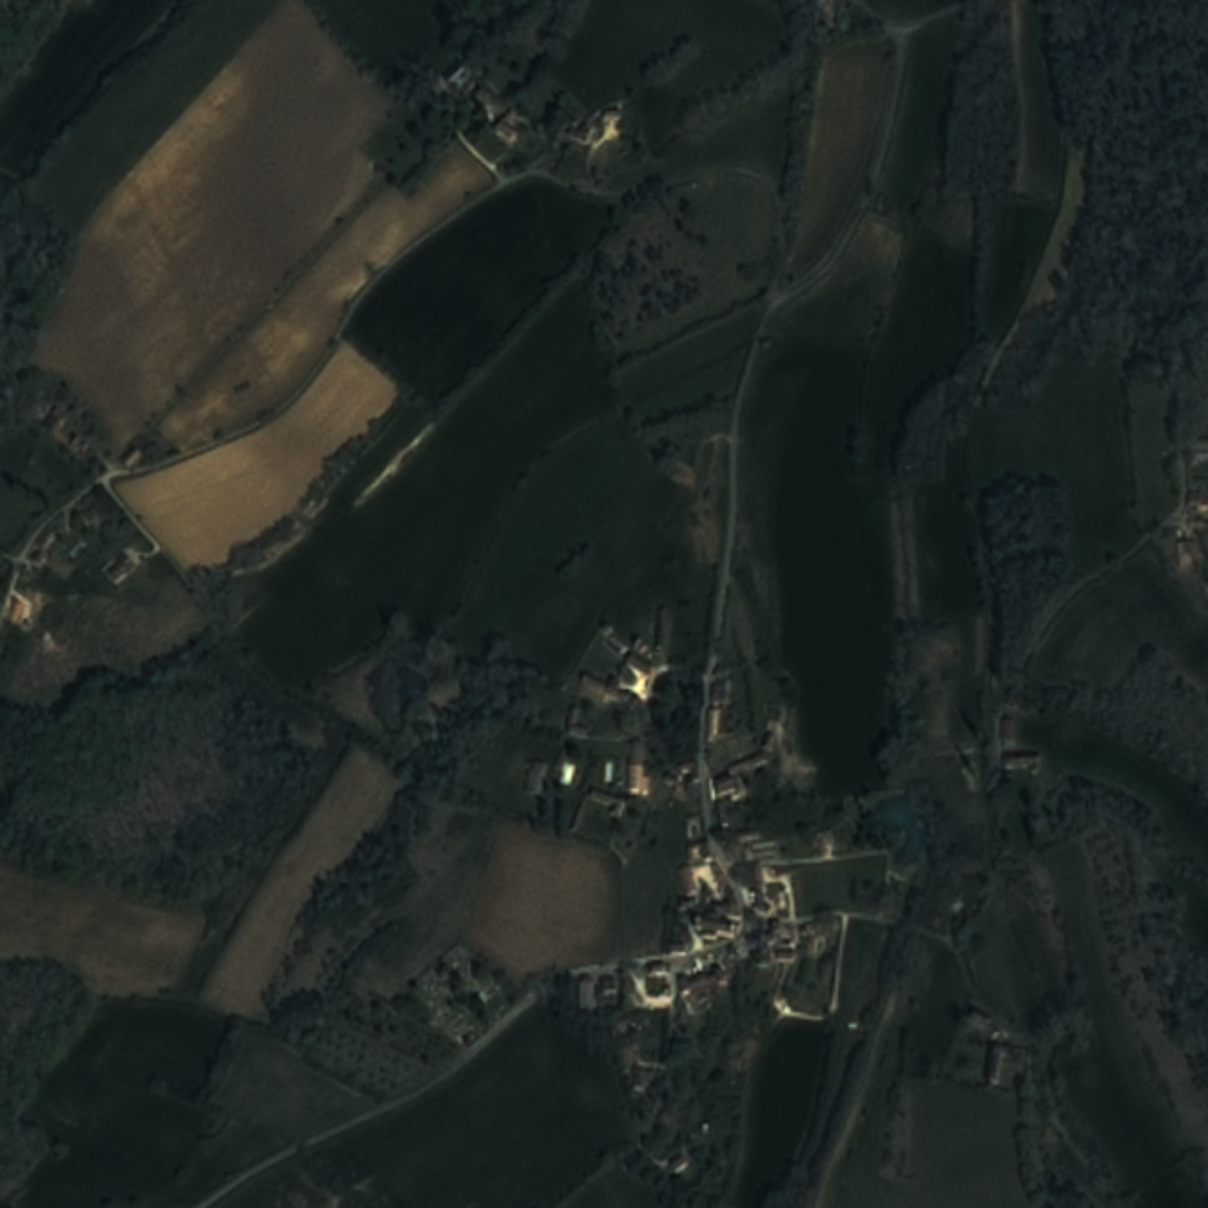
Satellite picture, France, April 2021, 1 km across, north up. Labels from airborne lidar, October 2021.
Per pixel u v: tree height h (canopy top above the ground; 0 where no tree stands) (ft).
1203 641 0
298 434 0
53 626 0
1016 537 22
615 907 0
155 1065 0
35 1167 48
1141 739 37
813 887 0
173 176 0
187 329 0
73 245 35
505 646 42
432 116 65
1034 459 0
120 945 0
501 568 0
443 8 0
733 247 0
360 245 0
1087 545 0
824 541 0
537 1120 0
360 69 31
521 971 0
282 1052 0
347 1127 0
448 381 0
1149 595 0
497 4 55
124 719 88
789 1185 51
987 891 49
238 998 0
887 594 0
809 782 0
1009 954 0
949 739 0
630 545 0
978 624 0
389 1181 0
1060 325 20
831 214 0
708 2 0
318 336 0
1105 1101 0
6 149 0
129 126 0
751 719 31
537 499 0
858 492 0
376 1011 34
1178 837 0
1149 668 61
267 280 0
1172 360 60
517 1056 0
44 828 78
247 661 39
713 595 18
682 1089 39
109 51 0
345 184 0
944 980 0
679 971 0
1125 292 50
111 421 0
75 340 0
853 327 0
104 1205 24
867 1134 0
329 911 20
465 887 0
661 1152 50
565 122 49
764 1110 0
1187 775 62
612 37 0
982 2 63
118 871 77
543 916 0
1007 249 0
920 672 39
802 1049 0
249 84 0
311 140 0
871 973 0
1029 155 0
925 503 0
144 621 0
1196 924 0
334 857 0
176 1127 0
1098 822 43
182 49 0
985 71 70
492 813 26
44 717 54
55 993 88
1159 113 49
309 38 0
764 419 0
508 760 0
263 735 83
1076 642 0
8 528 0
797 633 0
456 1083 0
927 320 0
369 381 0
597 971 0
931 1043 0
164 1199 0
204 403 0
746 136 0
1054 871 0
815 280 0
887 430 0
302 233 0
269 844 69
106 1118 0
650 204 68
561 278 19
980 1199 0
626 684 45
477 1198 0
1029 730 0
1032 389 58
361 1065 24
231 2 0
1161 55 60
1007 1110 0
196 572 30
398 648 28
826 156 0
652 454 0
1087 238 47
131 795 78
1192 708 62
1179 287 25
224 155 0
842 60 0
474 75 57
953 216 0
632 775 0
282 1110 0
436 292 0
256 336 0
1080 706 51
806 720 0
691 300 47
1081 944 0
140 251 0
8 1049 93
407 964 0
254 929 0
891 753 72
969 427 27
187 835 85
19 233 91
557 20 48
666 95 0
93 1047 0
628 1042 37
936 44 0
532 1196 0
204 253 0
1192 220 34
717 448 0
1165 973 36
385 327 0
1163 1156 0
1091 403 0
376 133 0
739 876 38
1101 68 64
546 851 0
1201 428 52
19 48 77
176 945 0
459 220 0
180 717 81
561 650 0
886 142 0
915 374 0
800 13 54
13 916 0
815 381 0
